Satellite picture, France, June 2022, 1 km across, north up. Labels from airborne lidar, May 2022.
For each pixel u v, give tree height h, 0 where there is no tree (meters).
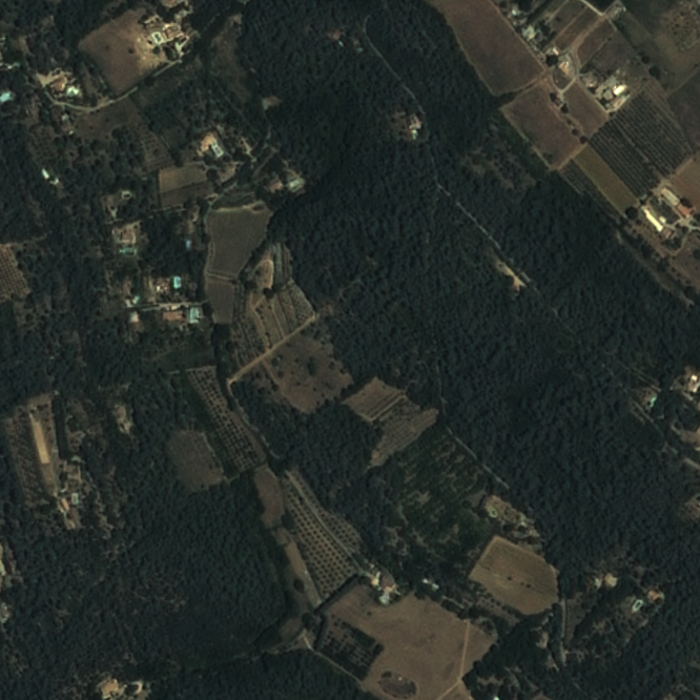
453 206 13
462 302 14
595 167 0
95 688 14
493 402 18
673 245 10
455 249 13
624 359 18
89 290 20
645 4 0
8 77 15
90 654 17
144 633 6
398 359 21
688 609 20
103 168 21
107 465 21
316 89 20
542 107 0
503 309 11
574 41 0
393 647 0
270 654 10
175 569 8
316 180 8
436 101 6
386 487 7
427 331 18
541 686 17
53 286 19
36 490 7
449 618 0
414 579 10
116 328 20
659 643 17
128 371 17
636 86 0
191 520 14
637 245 7
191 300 9
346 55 14
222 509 18
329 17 19
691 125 0
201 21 7
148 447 19
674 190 0
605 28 0
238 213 0
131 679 9
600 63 0
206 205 11
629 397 20
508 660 11
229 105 14
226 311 0
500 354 22
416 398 12
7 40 8
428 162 18
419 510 6
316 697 17
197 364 8
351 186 10
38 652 20
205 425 5
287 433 7
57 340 19
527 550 0
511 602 0
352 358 14
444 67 8
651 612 16
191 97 18
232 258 0
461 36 0
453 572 9
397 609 0
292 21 18
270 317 0
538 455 18
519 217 19
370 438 18
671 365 22
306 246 6
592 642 11
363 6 9
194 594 7
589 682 13
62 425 8
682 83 0
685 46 0
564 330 16
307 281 20
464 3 0
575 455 21
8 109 20
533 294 18
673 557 19
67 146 15
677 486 19
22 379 20
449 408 7
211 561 16
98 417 6
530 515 19
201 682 6
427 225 18
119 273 8
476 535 8
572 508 9
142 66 0
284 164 7
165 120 7
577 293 17
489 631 7
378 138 9
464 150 8
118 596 17
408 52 17
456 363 20
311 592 0
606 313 13
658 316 19
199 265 19
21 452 8
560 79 0
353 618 0
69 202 19
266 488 0
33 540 21
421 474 10
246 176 10
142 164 18
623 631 15
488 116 8
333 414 12
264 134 7
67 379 19
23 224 17
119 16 8
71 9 21
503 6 8
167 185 0
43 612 6
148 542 19
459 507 9
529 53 0
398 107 16
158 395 18
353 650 6
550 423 19
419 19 17
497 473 20
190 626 9
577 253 9
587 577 16
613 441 9
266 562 20
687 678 13
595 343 16
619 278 12
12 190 17
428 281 19
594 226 6
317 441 16
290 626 0
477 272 9
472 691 12
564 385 5
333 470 17
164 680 11
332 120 7
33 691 10
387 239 18
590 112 0
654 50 0
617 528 12
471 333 21
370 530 19
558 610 18
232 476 6
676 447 17
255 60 18
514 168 14
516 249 19
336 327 9
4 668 15
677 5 0
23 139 23
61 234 14
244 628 13
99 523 9
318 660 7
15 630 16
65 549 12
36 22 22
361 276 20
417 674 0
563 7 0
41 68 21
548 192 18
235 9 11
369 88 12
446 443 6
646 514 21
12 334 7
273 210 6
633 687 18
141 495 17
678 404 17
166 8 8
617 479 21
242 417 0
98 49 0
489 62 0
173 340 9
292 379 0
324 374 0
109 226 9
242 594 14
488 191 15
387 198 6
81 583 16
